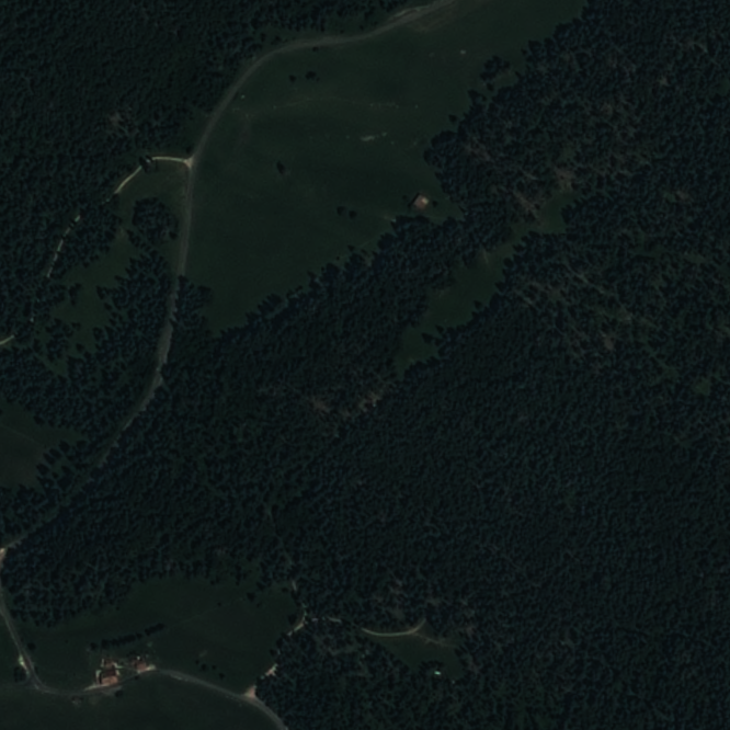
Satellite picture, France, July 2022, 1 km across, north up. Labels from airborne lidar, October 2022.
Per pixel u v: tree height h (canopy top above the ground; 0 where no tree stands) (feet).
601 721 37
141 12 54
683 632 66
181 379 61
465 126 60
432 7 0
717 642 75
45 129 50
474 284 0
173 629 0
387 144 0
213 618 0
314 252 0
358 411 105
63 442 0
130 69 42
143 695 0
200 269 0
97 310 0
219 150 0
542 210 65
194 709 0
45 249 19
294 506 67
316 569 58
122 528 64
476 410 66
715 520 83
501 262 0
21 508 93
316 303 82
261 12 68
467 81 0
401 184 0
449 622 84
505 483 100
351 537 74
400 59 0
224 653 0
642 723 65
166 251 0
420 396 65
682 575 91
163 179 0
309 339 78
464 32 0
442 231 58
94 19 44
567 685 104
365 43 0
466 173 68
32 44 79
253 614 0
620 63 96
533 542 79
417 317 115
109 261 0
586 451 89
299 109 0
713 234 37
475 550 86
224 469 71
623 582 86
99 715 0
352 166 0
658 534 71
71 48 53
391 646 0
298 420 90
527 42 0
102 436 50
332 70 0
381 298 72
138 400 27
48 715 0
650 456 92
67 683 0
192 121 45
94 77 61
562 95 34
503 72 68
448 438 57
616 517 72
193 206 0
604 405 88
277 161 0
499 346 69
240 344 94
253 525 95
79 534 78
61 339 64
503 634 57
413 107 0
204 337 45
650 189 105
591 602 88
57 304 72
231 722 0
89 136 82
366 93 0
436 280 61
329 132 0
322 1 20
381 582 70
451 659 0
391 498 90
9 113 73
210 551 60
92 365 62
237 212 0
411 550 74
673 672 91
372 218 0
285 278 0
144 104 75
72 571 58
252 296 0
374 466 61
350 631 66
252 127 0
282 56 0
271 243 0
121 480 78
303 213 0
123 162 39
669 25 78
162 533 66
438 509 79
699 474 70
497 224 90
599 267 79
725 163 62
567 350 97
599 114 69
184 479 34
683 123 70
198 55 77
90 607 83
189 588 0
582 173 73
